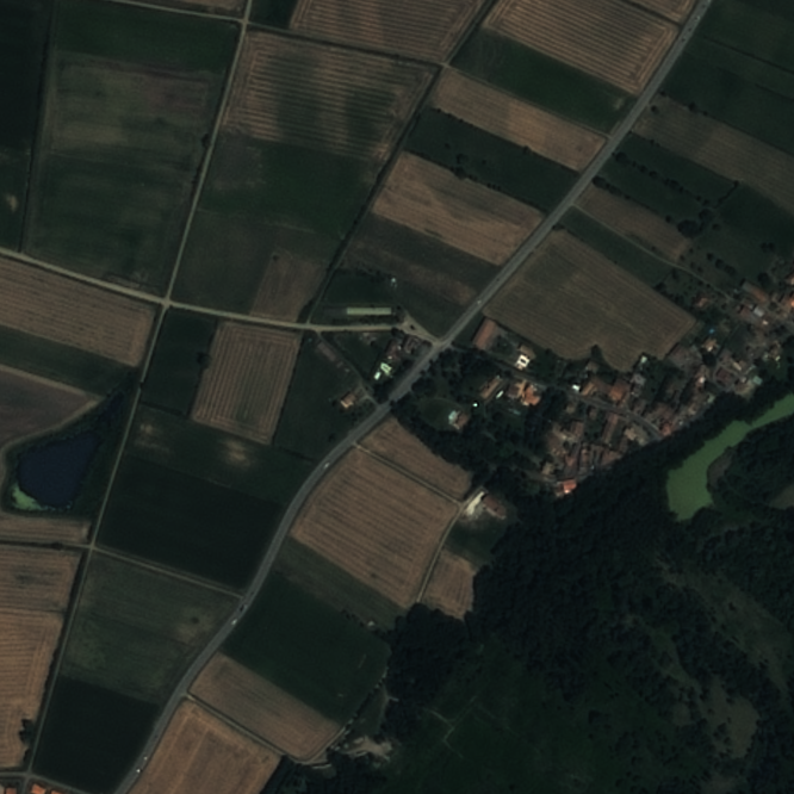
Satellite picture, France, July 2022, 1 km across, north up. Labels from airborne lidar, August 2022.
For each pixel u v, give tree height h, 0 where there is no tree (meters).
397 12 0
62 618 0
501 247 0
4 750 0
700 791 20
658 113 10
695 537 8
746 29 0
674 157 0
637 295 0
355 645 0
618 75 0
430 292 0
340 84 0
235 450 0
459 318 0
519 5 0
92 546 0
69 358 0
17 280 0
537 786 0
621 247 0
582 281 0
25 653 0
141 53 0
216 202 0
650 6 0
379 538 0
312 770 8
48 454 0
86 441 0
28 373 0
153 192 0
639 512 32
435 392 19
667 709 6
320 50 0
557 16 0
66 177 0
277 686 0
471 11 0
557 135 0
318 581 0
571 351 0
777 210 0
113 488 0
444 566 0
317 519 0
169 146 0
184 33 0
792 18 0
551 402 10
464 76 0
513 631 35
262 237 0
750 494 10
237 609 0
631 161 10
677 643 17
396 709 19
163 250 0
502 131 0
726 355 0
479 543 0
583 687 24
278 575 0
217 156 0
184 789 0
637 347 0
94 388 0
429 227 0
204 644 0
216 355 0
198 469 0
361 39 0
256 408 0
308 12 0
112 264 0
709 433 11
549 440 0
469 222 0
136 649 0
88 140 0
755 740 9
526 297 0
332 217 0
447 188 0
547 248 0
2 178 0
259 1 0
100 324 0
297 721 0
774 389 17
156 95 0
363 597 0
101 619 0
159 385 0
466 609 0
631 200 7
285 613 0
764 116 0
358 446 0
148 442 0
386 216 0
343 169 0
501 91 0
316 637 0
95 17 0
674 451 17
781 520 15
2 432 0
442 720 0
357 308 0
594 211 0
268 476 0
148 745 0
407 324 0
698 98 0
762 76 0
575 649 32
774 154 0
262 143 0
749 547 10
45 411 0
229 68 0
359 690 0
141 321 0
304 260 0
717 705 0
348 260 0
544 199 0
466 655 27
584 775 0
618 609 8
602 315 0
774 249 12
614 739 0
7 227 0
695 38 0
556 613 25
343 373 0
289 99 0
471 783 0
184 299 0
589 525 25
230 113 0
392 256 0
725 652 13
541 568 31
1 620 0
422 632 20
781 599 14
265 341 0
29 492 0
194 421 0
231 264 0
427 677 16
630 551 28
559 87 0
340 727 0
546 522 28
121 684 0
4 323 0
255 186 0
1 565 0
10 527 0
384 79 0
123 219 0
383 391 13
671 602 17
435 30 0
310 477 0
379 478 0
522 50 0
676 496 0
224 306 0
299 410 0
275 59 0
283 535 0
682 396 8
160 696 0
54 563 0
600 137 0
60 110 0
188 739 0
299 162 0
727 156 0
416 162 0
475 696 0
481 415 8
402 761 0
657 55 0
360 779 26
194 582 0
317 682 0
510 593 23
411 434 7
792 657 6
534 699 0
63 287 0
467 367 15
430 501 0
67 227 0
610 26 0
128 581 0
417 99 0
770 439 15
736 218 0
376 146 0
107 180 0
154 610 0
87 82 0
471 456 18
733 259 0
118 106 0
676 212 0
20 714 0
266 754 0
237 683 0
